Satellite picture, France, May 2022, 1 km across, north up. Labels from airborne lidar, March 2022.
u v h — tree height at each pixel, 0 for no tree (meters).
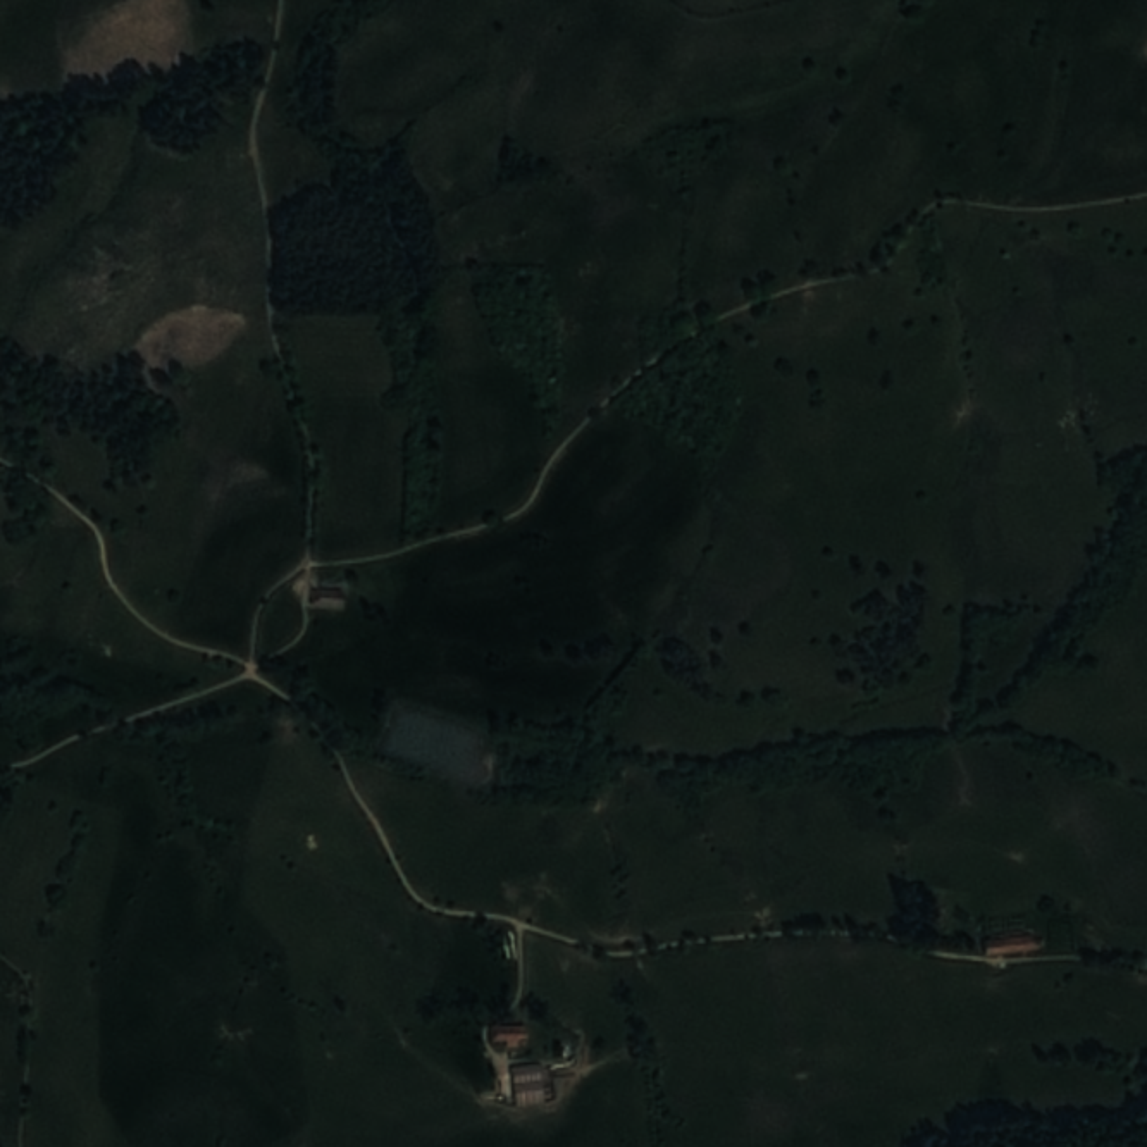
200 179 0
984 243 0
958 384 0
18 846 0
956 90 0
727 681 0
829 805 0
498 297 9
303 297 26
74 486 0
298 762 0
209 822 7
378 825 0
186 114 15
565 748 17
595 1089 0
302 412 13
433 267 21
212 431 0
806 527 0
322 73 22
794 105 0
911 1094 0
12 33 0
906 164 0
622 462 0
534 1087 0
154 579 0
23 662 15
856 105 0
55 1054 0
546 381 8
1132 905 0
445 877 0
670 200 0
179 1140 0
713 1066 0
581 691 0
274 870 0
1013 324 0
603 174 0
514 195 0
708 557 7
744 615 0
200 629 0
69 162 23
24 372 21
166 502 0
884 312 0
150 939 0
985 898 0
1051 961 0
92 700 19
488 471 0
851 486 0
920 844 0
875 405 0
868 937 18
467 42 0
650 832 0
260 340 0
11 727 16
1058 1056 12
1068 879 0
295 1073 0
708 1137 0
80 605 0
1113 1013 0
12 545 18
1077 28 0
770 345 0
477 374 0
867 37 0
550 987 0
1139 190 0
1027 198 0
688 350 10
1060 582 0
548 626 0
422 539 10
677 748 0
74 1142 0
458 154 0
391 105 0
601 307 0
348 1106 0
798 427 0
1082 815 0
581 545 0
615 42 0
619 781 14
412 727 0
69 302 0
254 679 0
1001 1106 0
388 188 21
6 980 0
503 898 0
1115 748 0
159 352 0
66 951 0
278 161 0
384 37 0
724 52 0
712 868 0
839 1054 0
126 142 0
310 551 9
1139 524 22
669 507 0
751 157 0
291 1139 0
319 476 8
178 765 9
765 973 0
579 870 0
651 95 0
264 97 0
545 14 0
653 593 0
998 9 0
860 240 0
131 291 0
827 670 0
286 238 24
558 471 0
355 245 24
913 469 0
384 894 0
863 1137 0
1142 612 0
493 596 0
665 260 0
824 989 0
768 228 0
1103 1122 22
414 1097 0
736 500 0
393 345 12
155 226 0
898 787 13
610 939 0
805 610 0
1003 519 0
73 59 0
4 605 0
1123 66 0
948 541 0
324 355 0
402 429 0
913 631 19
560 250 0
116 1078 0
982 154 0
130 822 0
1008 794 0
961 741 15
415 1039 0
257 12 0
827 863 0
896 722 0
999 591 0
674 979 0
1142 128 0
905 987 0
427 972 0
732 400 8
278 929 0
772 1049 0
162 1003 0
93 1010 0
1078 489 0
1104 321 0
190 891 0
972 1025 0
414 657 0
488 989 0
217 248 0
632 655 6
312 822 0
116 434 8
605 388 0
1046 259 0
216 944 0
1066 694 0
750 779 19
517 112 0
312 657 0
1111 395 0
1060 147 0
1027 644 0
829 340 0
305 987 0
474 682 0
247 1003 0
